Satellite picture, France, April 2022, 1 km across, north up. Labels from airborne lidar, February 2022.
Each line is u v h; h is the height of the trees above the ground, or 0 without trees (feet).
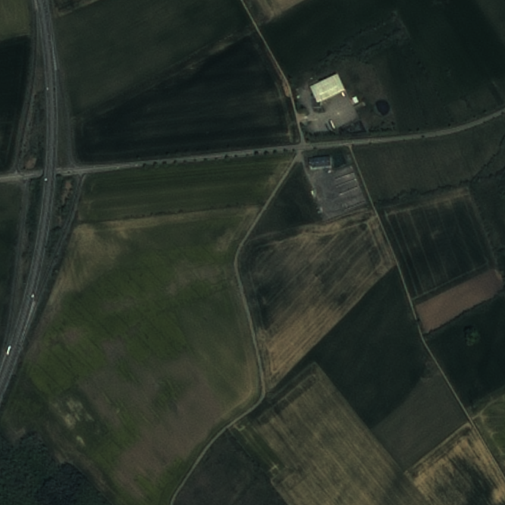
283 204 0
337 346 0
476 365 0
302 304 0
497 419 0
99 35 0
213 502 0
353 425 0
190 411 0
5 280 0
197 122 0
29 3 0
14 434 0
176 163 24
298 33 0
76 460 0
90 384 0
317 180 0
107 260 0
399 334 0
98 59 0
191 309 0
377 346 0
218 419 0
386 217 0
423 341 0
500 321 0
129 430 0
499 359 0
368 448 0
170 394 0
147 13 0
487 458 0
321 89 0
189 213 0
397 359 0
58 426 0
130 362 0
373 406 0
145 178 0
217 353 0
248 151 0
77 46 0
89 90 0
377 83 0
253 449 0
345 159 0
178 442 0
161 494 0
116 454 0
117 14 0
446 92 0
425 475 0
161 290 0
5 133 0
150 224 0
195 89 0
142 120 0
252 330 0
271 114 0
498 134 0
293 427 0
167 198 0
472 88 0
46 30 0
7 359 0
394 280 0
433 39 0
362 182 0
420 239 0
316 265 0
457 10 0
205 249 0
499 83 0
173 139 0
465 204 0
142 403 0
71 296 0
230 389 0
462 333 0
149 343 0
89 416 0
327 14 0
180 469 0
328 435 0
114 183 0
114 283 0
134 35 0
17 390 0
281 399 0
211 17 0
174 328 0
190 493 0
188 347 0
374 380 0
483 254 0
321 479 0
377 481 0
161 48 0
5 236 0
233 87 0
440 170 0
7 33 0
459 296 0
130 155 0
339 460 0
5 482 63
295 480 0
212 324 0
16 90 0
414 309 0
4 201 0
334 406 0
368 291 0
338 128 0
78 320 0
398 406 0
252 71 0
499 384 0
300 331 0
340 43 0
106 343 0
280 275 0
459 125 0
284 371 0
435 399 0
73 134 0
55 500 54
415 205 0
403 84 0
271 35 0
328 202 0
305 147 0
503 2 0
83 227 0
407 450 0
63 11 0
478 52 0
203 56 0
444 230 0
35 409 0
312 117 0
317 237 0
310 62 0
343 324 0
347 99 0
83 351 0
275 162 0
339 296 0
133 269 0
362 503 0
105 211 0
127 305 0
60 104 0
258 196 0
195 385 0
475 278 0
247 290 0
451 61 0
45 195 0
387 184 0
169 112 0
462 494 0
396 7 0
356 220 0
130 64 0
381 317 0
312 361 0
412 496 0
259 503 0
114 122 0
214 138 0
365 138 0
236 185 0
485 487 0
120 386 0
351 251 0
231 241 0
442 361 0
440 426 0
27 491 59
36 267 0
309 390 0
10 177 0
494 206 0
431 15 0
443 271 0
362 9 0
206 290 0
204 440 0
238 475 0
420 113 0
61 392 0
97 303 0
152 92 0
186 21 0
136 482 0
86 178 0
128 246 0
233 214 0
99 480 0
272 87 0
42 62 0
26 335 0
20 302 0
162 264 0
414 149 0
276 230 0
